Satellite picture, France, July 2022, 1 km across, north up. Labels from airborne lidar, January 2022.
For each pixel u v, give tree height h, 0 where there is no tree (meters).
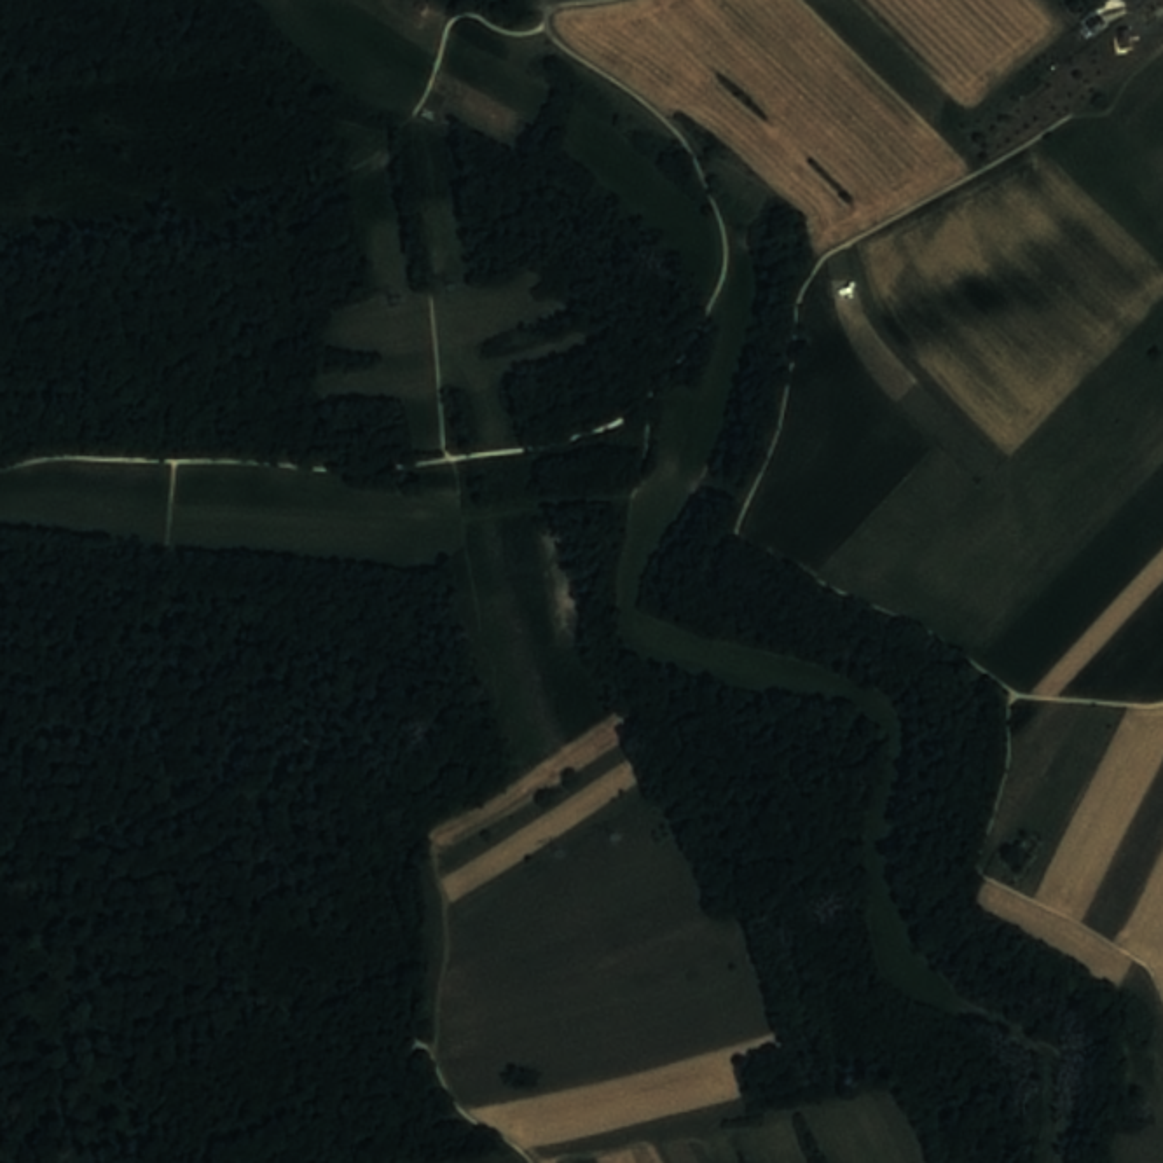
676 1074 0
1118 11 0
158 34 20
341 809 23
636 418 17
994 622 0
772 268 17
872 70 0
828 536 0
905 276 0
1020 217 0
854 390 0
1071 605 0
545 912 0
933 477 0
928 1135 18
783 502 0
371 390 0
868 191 0
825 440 0
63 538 18
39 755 25
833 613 17
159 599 21
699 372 16
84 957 27
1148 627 0
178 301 24
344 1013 21
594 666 19
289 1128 23
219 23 26
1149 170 0
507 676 0
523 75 0
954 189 0
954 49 0
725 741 22
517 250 22
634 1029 0
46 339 27
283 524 0
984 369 0
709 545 14
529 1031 0
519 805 0
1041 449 0
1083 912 0
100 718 26
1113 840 0
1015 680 0
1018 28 0
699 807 27
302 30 0
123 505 0
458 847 0
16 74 23
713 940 0
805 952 24
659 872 0
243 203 23
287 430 20
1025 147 0
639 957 0
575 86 8
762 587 20
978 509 0
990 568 0
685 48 0
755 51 0
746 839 24
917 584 0
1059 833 0
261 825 19
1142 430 0
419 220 15
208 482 0
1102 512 0
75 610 22
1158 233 0
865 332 0
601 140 0
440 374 0
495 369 0
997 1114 22
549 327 16
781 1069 21
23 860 25
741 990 0
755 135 0
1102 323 0
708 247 0
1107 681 0
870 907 15
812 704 24
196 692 18
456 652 21
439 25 0
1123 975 0
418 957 6
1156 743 0
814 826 25
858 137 0
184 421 25
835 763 16
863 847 14
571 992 0
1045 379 0
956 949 17
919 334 0
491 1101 0
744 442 25
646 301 17
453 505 0
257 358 26
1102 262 0
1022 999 23
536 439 18
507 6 9
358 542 0
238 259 21
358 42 0
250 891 29
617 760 0
